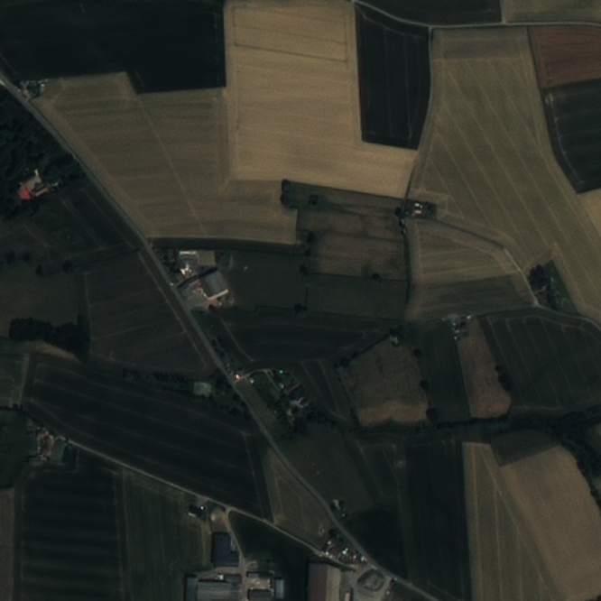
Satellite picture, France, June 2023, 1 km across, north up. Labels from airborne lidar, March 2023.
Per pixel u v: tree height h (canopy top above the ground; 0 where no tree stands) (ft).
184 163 0
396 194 0
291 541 0
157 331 0
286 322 0
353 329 0
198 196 0
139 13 0
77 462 0
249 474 0
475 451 0
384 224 0
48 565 0
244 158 0
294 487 0
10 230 0
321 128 0
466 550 0
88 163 0
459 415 0
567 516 0
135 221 0
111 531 0
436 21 0
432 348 0
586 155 0
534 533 0
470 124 0
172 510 0
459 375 0
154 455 0
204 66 0
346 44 0
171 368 0
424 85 0
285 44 0
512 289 0
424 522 0
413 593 0
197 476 0
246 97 0
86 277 0
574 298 0
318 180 0
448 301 0
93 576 0
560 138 0
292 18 0
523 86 0
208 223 0
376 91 0
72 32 0
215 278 0
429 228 0
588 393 0
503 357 0
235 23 0
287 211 0
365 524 0
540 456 0
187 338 0
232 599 0
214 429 0
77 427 0
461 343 0
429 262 0
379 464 0
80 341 67
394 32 0
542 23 0
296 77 0
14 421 0
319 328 0
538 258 0
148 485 0
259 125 0
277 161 0
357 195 0
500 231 0
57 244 0
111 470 0
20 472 0
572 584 0
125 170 0
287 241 0
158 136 0
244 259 0
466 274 0
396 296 0
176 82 0
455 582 0
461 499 0
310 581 0
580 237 0
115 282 0
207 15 0
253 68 0
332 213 0
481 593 0
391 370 0
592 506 0
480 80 0
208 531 0
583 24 0
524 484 0
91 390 0
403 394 0
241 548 0
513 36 0
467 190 0
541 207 0
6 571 0
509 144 0
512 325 0
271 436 0
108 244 0
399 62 0
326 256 0
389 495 0
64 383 0
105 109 0
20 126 65
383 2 0
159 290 0
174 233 0
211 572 0
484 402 0
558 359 0
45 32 0
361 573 0
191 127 0
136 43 0
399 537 0
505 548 0
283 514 0
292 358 0
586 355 0
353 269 0
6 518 0
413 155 0
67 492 0
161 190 0
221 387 43
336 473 0
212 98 0
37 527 0
